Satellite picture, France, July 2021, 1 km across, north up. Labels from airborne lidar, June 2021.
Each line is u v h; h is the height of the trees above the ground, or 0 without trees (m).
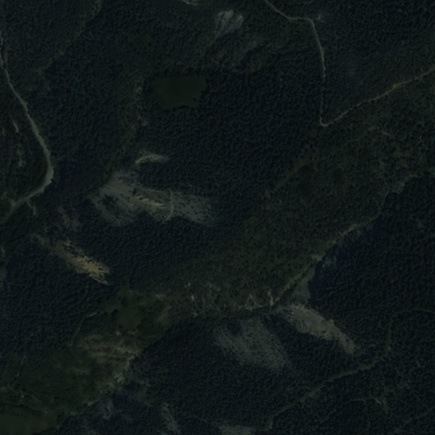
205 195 8
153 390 12
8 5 7
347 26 8
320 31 7
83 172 22
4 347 14
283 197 9
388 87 6
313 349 19
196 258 13
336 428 25
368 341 9
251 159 23
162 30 15
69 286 17
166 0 8
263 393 9
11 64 9
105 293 9
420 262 16
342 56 7
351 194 9
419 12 26
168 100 0
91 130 9
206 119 14
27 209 8
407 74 8
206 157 13
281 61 11
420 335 10
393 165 14
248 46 6
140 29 13
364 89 11
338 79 9
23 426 0
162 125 10
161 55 10
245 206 7
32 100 9
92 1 12
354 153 9
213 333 14
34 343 12
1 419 0
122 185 0
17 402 8
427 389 11
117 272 15
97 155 20
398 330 8
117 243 15
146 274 12
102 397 14
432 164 8
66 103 17
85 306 8
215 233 10
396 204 12
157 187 8
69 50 15
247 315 10
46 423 0
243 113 23
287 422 12
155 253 14
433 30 13
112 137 12
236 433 0
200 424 11
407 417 8
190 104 0
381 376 9
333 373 11
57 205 9
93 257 7
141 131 9
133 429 12
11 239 9
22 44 11
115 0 14
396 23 20
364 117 7
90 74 14
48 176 0
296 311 0
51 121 15
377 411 7
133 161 10
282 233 8
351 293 19
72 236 9
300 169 7
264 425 10
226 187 14
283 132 19
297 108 21
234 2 11
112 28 14
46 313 15
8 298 12
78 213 6
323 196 9
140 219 9
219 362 12
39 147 11
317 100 13
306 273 7
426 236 17
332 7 10
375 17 17
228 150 13
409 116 9
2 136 10
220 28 6
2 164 13
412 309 7
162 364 11
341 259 14
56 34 16
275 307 12
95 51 14
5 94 7
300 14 12
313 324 0
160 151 8
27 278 14
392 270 13
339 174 13
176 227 16
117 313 16
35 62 14
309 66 7
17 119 10
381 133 7
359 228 7
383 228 19
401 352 7
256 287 8
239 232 7
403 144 14
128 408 10
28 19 9
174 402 9
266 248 6
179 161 10
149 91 16
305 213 10
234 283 7
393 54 13
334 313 14
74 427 14
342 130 15
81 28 8
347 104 6
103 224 13
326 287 20
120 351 0
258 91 17
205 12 6
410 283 27
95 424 14
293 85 8
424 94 9
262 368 8
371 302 14
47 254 17
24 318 16
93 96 19
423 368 7
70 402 7
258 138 26
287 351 6
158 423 12
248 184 9
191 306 9
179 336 17
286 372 10
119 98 13
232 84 18
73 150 20
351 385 13
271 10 7
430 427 12
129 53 11
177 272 10
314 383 8
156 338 8
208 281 6
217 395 10
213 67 12
